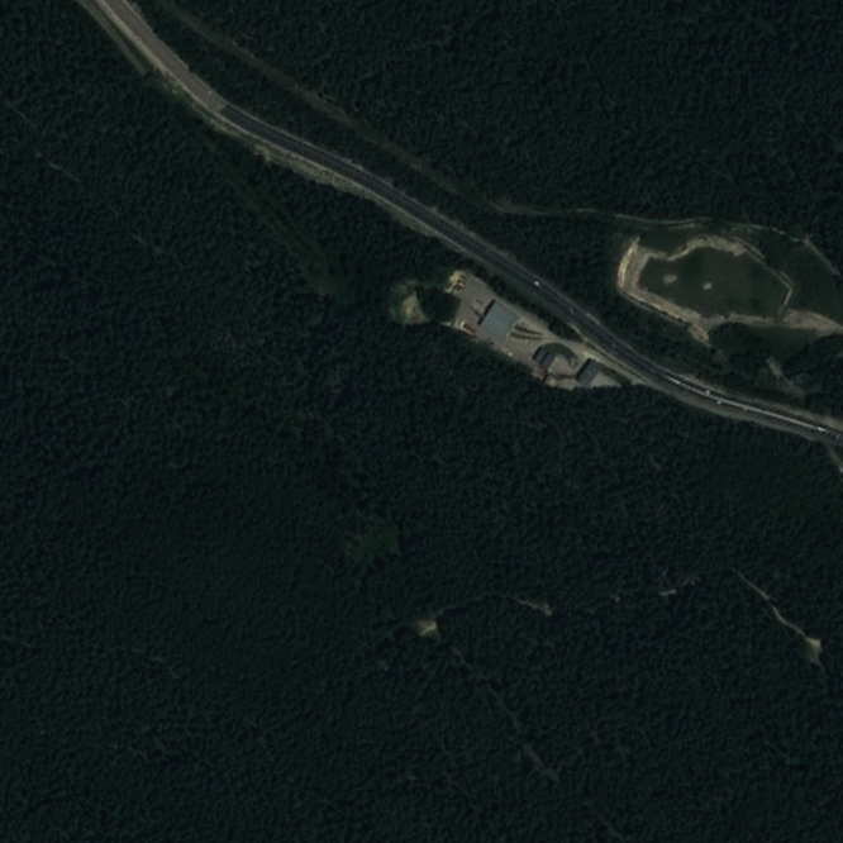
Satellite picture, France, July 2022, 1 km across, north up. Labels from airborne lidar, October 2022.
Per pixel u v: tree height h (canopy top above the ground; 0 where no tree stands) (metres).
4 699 11
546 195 18
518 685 10
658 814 22
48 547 29
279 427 15
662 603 26
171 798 24
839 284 10
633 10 27
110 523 19
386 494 25
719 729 26
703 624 22
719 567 34
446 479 21
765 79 28
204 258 15
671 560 27
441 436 16
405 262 24
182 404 28
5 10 7
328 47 24
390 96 16
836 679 31
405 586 21
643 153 22
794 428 0
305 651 19
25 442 37
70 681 24
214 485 24
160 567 20
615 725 15
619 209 24
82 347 22
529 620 25
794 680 22
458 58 19
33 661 14
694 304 0
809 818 25
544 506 18
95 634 22
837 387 20
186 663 20
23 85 25
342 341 36
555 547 20
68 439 15
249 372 21
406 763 31
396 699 19
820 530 18
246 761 21
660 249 0
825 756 14
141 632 21
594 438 26
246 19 13
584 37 20
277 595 24
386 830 11
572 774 21
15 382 30
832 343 9
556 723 22
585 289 12
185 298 23
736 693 26
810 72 30
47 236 33
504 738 31
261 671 19
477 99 9
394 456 29
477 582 29
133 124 23
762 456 20
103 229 26
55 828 21
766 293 0
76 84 23
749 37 34
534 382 6
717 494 21
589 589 22
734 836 23
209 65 11
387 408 34
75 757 21
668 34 28
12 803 26
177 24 9
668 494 24
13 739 24
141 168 28
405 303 0
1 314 12
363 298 11
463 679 13
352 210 25
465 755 22
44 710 20
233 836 30
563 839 24
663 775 26
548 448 19
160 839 22
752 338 10
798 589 18
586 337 0
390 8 21
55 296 34
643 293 0
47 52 23
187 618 22
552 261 17
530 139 25
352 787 24
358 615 20
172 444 20
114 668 18
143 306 26
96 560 7
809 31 27
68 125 16
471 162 18
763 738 29
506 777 21
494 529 23
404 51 24
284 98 12
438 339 28
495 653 20
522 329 0
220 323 28
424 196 15
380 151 12
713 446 13
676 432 26
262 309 21
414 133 12
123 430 32
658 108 19
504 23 25
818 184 30
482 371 22
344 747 16
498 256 0
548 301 0
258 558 18
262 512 16
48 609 21
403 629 14
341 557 19
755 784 24
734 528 16
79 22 8
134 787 18
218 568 22
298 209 25
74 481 30
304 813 24
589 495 13
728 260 0
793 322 0
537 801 21
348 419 26
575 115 23
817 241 21
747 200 22
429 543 22
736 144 27
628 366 0
